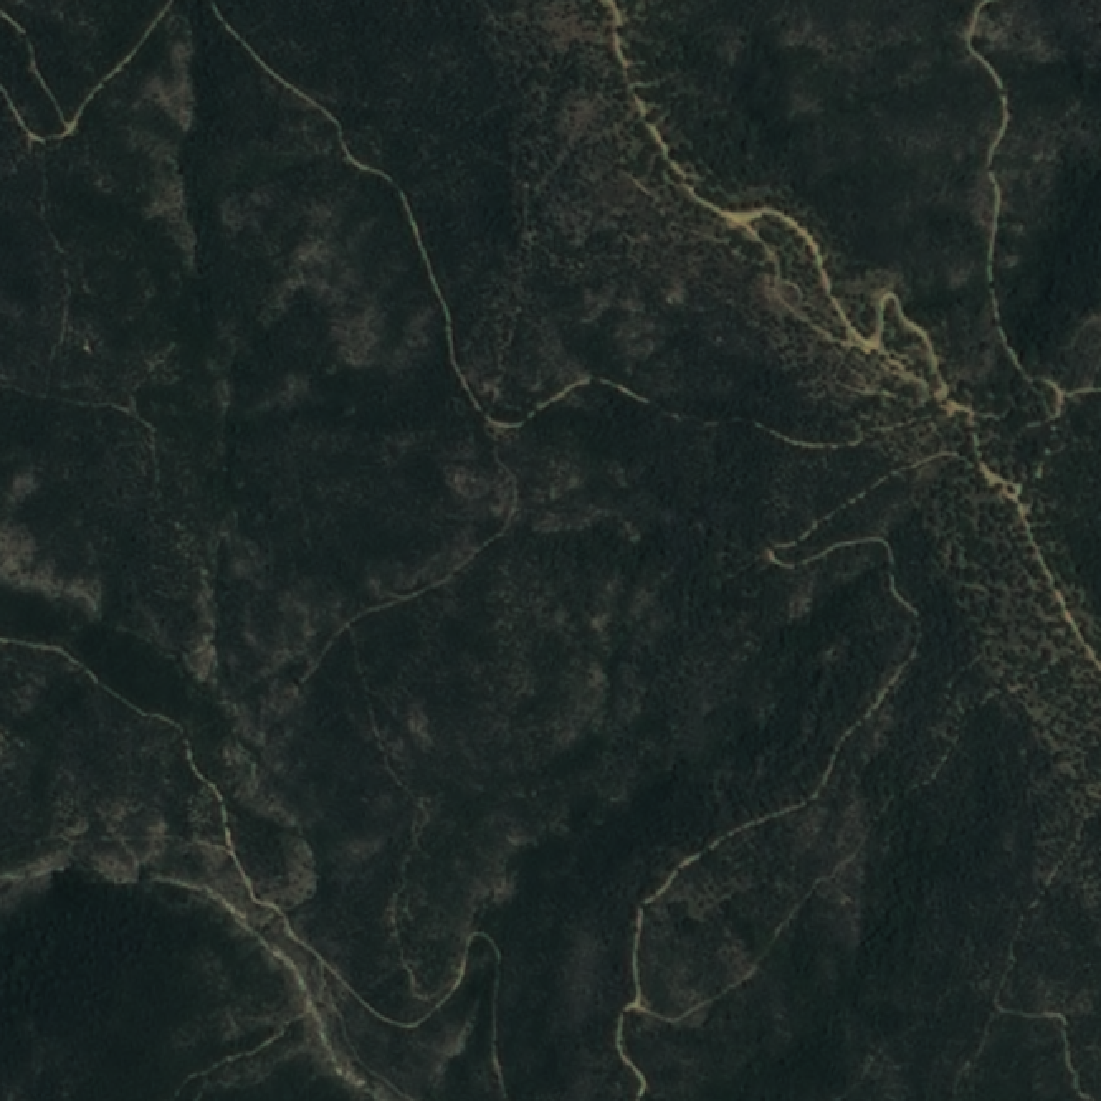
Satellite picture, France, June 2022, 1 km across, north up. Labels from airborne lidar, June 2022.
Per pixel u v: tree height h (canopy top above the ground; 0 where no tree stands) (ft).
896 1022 19
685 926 28
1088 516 35
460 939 25
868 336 20
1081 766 20
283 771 0
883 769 32
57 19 20
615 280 22
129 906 31
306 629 0
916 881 29
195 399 22
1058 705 20
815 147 21
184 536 19
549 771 24
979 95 24
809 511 17
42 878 0
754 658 19
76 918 17
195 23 31
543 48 24
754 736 35
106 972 18
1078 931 19
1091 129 31
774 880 22
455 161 21
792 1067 17
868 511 20
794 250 21
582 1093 0
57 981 31
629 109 28
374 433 17
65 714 20
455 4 20
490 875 0
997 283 28
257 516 22
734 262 24
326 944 0
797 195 22
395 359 0
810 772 22
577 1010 0
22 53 20
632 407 21
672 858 18
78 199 20
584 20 18
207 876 0
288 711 0
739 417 22
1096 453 24
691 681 27
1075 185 27
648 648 24
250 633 0
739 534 33
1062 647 21
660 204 20
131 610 26
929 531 21
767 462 21
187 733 24
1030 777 25
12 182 20
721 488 19
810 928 18
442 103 17
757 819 25
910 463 18
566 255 26
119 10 20
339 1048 0
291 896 0
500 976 22
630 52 27
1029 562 23
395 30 23
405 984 22
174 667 19
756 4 32
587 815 31
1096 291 32
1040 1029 25
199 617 27
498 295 24
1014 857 20
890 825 26
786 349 26
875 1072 0
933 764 19
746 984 25
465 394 19
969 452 22
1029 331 31
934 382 27
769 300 0
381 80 25
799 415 25
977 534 23
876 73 35
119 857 0
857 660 25
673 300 0
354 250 0
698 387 21
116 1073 18
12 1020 18
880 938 34
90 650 17
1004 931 20
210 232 21
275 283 25
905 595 18
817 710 24
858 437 18
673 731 20
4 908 0
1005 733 19
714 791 25
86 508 29
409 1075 21
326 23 31
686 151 36
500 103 22
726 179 25
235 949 22
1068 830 21
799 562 25
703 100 22
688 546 29
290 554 25
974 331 20
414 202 22
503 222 26
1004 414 31
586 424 27
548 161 22
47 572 0
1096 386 22
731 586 28
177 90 0
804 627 25
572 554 31
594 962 0
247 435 19
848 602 20
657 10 21
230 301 23
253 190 20
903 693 21
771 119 36
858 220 34
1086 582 20
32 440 27
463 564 0
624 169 23
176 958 28
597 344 21
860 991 21
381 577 0
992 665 24
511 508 0
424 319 0
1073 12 23
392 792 20
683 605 31
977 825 33
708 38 28
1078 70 22
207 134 27
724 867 19
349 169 20
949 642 32
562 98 19
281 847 25
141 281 27
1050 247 31
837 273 25
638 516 27
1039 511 23
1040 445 23
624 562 27
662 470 20
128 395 18
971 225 27
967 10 31
